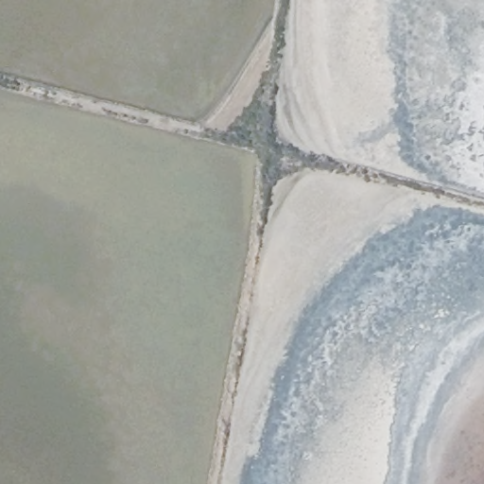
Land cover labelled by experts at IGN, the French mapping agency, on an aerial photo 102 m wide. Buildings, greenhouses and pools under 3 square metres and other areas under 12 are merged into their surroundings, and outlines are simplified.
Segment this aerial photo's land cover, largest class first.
<instances>
[{"label":"water","instance_id":"1","mask_svg":"<svg viewBox=\"0 0 484 484\"><path fill-rule=\"evenodd\" d=\"M274 0H0V70L8 74H17L25 81L34 83L36 87L59 89L74 96L91 98L95 102H112L195 125L202 119H208V115L216 110L217 104L233 91L234 83L240 78L246 62L250 60L255 45L261 42V38L267 32ZM246 147L242 146L238 151L225 153L221 147L180 136L174 130H159L149 125L138 127L104 117L87 110H74L72 106H59L53 102H40L28 96L0 93V484H212L208 480V473L214 458L217 414L221 408L223 384L231 354L234 320L238 314V302L242 297L244 272L250 250L255 164L250 163L248 153H244ZM459 431L452 435V442L444 452L441 476L433 484H484V393L475 399L473 405L461 416Z\"/></svg>","mask_w":484,"mask_h":484},{"label":"pervious surface","instance_id":"2","mask_svg":"<svg viewBox=\"0 0 484 484\"><path fill-rule=\"evenodd\" d=\"M282 0H274L267 32L261 38V42L255 45L250 60L246 62L240 78L234 83L233 91L217 104L216 110L208 115V119H202L195 125L112 102H95L91 98L74 96L59 89L36 87L34 83L25 81L19 89L0 87V93L28 96L40 102H53L59 106H72L74 110H87L104 117L106 110L127 113L147 119L149 125L159 130H174L180 136L221 147L225 153L238 151L242 146L208 140L200 132L206 129H227L229 125H233L234 119L246 106H250L261 74L268 70V59L274 43L276 21ZM276 129L284 138V142H289L306 153L329 155L342 163L363 164L367 168L384 170L391 176L420 181L423 185H433L444 191L463 195L469 200H484V0H291L285 25L284 59L276 95ZM244 153H248L250 163L255 164L250 250L244 272L242 297L238 302V314L234 320L231 354L223 384L221 408L217 414L214 458L208 473V480L212 484H433L441 476L444 452L452 442V435L459 431L461 416L473 405L475 399L484 393V208L435 197L431 193H420L405 185H389L386 181L369 183L357 176H344L329 170L306 168L291 176H284L274 185L272 204L268 210L267 231L265 234H257L263 210V163L257 159L255 149L246 147Z\"/></svg>","mask_w":484,"mask_h":484},{"label":"brushwood","instance_id":"3","mask_svg":"<svg viewBox=\"0 0 484 484\"><path fill-rule=\"evenodd\" d=\"M291 0H282L276 21L274 43L268 59V70L261 74L250 106H246L234 119L233 125H229L227 129H206L200 132L208 140L242 146L246 147L255 149L257 159L263 163V210L257 234H265L267 231L268 210L272 204L274 185L284 176H291L306 168L329 170L344 176H357L369 183L386 181L389 185H405L420 193H431L435 197L484 208V200H469L463 195L444 191L433 185H423L420 181L391 176L384 170L367 168L363 164L342 163L329 155L306 153L289 142H284V138L276 129V95L284 59L285 25ZM25 81L17 74H8L0 70V87L19 89ZM104 117L138 127L149 125L147 119L127 113L106 110Z\"/></svg>","mask_w":484,"mask_h":484}]
</instances>
